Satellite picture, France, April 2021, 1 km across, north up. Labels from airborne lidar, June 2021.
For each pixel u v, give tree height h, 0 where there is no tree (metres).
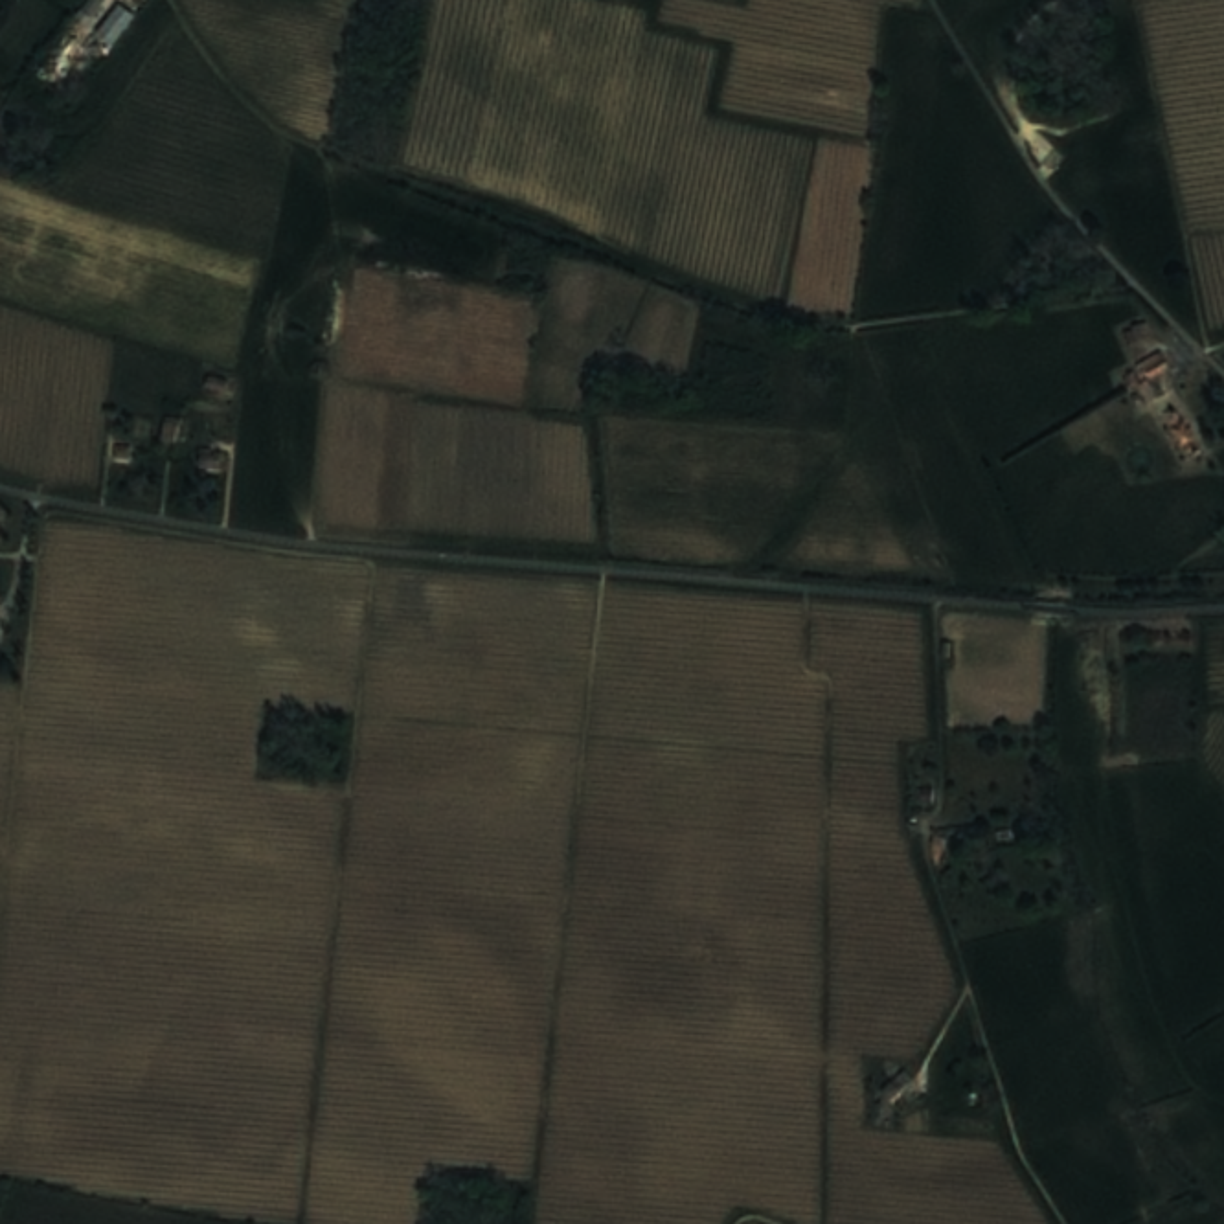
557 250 11
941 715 0
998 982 0
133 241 0
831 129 0
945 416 0
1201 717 0
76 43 0
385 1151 0
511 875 0
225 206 0
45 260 0
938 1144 0
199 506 9
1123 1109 0
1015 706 0
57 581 0
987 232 0
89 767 0
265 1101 0
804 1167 0
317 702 0
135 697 0
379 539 0
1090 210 0
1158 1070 0
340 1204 0
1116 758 0
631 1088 0
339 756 10
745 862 0
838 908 0
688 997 0
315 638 0
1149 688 0
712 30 0
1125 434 0
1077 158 0
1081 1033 0
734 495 0
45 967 0
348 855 0
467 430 0
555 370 0
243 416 0
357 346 0
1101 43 19
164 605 0
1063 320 0
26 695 0
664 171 0
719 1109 0
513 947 0
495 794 0
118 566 0
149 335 0
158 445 10
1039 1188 0
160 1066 0
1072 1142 0
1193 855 0
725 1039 0
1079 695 0
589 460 0
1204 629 0
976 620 0
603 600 0
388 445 0
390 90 15
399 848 0
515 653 0
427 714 0
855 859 0
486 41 0
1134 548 0
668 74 0
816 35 0
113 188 0
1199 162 0
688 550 0
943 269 0
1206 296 0
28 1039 0
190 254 0
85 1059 0
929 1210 0
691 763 0
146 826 0
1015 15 0
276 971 0
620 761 0
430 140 0
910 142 0
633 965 0
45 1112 0
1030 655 0
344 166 12
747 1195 0
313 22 0
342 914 0
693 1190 0
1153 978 0
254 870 0
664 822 0
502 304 0
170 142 0
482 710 0
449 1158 0
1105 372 0
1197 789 0
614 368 18
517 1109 0
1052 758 15
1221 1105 0
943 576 0
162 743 0
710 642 0
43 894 0
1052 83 20
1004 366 0
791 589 0
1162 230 0
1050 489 0
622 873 0
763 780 0
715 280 0
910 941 0
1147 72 0
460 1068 0
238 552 0
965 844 14
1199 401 0
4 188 0
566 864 0
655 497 0
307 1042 0
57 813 0
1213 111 0
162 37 0
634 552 0
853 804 0
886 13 0
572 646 0
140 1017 0
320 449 0
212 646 0
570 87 0
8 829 0
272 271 0
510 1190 9
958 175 0
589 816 0
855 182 0
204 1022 0
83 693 0
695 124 0
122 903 0
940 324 0
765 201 0
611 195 0
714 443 0
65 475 0
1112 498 0
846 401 0
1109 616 0
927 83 0
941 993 0
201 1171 0
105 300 0
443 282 0
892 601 0
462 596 0
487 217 9
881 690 0
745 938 0
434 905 0
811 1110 0
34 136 20
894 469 0
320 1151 0
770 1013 0
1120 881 0
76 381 0
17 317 0
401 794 0
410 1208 0
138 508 0
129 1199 0
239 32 0
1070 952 0
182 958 0
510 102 0
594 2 0
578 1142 0
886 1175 0
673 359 0
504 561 0
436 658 0
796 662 0
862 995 0
